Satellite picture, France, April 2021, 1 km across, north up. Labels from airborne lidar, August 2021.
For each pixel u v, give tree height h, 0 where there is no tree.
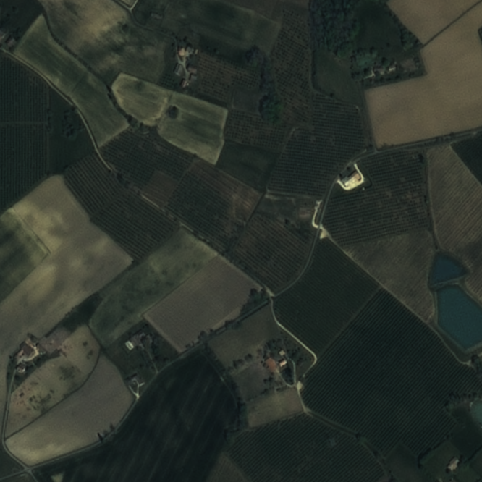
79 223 0
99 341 0
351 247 0
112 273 0
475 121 0
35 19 0
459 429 0
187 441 0
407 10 0
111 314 0
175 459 0
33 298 0
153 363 10
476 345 0
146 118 0
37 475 0
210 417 0
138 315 0
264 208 0
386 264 0
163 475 0
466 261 0
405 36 11
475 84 0
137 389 11
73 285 0
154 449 0
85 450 0
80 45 0
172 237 0
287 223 12
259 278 13
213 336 12
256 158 0
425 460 16
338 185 0
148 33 0
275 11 0
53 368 0
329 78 0
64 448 0
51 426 0
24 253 0
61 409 0
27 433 0
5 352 0
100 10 0
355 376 7
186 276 0
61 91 0
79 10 0
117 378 0
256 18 0
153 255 0
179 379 0
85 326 0
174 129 0
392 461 0
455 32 0
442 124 0
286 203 0
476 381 6
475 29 0
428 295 0
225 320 0
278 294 0
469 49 0
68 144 0
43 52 0
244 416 20
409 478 0
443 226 0
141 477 0
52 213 0
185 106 0
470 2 0
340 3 10
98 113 0
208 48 6
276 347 15
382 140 0
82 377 0
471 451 0
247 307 11
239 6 0
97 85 0
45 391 0
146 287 0
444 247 0
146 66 0
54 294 0
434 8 0
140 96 0
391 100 0
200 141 0
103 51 0
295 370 0
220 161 0
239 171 0
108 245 0
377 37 0
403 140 0
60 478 0
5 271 0
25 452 0
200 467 0
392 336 6
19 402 0
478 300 0
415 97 0
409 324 6
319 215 0
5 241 0
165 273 0
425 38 0
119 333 0
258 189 0
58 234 0
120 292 0
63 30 0
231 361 0
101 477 0
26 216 0
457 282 0
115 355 0
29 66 0
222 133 0
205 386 0
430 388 6
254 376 0
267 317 0
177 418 0
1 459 0
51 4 0
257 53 18
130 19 0
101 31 0
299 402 0
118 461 0
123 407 0
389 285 0
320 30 25
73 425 0
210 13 0
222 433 0
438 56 0
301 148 6
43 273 0
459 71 0
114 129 0
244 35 0
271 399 0
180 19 0
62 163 0
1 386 0
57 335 0
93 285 0
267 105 17
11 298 0
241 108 0
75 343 0
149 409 0
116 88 0
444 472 0
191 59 11
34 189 0
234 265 13
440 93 0
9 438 0
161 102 0
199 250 0
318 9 20
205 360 0
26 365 8
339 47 20
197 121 0
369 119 0
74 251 0
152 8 0
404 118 0
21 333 0
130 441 0
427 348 6
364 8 0
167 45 0
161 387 0
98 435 0
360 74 7
